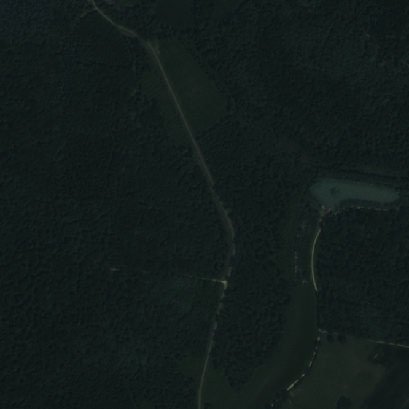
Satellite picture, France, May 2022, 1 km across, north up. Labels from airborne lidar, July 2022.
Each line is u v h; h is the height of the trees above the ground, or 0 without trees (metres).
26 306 22
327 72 27
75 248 18
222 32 23
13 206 21
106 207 27
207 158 10
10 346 19
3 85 31
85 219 27
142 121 28
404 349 0
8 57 29
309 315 0
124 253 30
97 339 24
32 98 23
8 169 21
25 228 16
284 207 23
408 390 0
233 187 27
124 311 25
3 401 29
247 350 28
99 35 13
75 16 30
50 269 23
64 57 30
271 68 28
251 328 24
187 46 20
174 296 15
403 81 24
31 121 28
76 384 18
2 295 26
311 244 17
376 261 24
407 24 24
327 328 25
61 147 22
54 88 25
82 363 22
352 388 0
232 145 20
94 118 29
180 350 20
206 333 11
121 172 22
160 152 25
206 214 27
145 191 19
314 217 17
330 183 0
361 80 28
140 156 24
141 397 17
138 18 31
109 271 23
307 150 22
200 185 29
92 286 25
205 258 23
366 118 19
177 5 0
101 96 30
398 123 22
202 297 11
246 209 28
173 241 27
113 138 18
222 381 0
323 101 22
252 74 27
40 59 25
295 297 0
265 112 25
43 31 37
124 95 29
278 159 30
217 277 26
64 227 25
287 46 25
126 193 11
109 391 18
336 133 27
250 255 27
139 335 24
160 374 28
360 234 27
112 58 14
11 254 23
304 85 21
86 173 22
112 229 28
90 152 23
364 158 30
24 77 26
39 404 29
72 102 27
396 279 22
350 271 30
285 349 0
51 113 26
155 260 29
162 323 22
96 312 27
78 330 20
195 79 0
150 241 29
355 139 29
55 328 27
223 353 24
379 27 26
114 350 18
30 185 23
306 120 25
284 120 22
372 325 25
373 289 29
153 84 0
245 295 28
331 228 26
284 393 14
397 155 29
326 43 16
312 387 0
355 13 22
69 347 24
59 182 24
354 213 24
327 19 25
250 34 24
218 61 21
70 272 13
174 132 0
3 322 25
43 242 10
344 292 27
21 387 32
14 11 35
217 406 0
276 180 15
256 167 27
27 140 25
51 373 27
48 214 23
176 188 25
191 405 22
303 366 0
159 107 27
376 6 20
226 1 0
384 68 22
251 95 23
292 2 23
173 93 0
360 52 26
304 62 27
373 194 0
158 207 24
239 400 0
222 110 0
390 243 26
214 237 25
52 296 29
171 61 0
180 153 21
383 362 0
